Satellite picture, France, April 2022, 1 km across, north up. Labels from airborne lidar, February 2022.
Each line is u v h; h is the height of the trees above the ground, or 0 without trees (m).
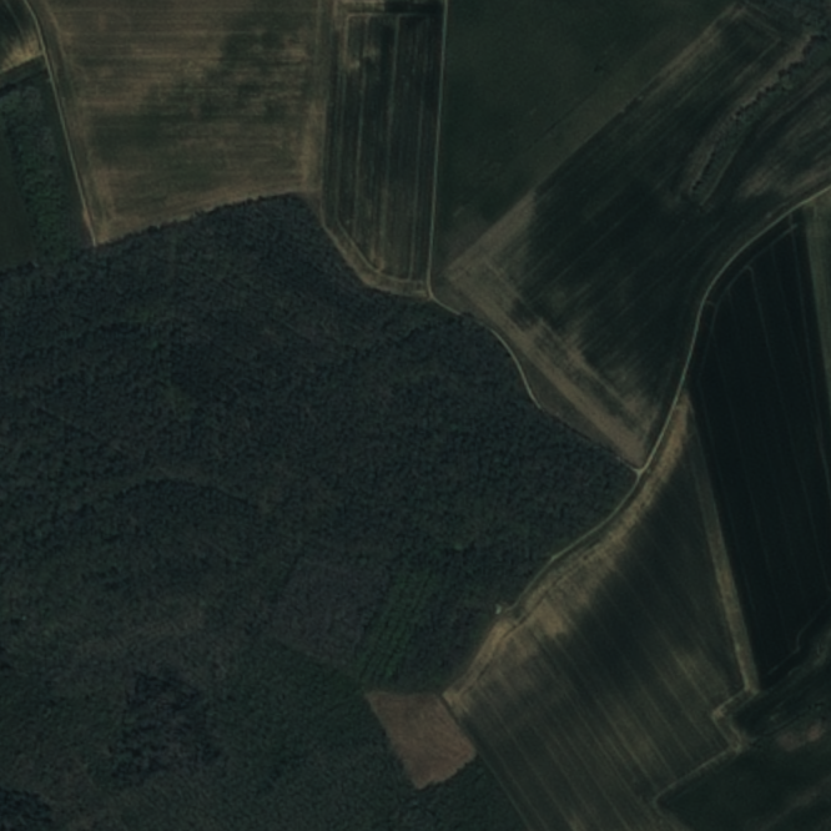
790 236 0
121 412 23
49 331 25
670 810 0
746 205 0
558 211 0
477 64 0
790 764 0
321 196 0
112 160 0
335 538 21
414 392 22
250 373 14
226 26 0
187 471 23
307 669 9
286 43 0
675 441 0
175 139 0
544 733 0
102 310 25
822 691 0
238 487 18
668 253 0
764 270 0
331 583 15
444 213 0
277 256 20
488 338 19
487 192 0
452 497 15
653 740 0
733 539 0
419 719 0
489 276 0
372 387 20
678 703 0
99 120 0
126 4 0
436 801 11
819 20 19
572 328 0
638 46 0
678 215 0
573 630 0
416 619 20
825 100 0
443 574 21
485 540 17
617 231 0
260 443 20
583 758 0
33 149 15
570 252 0
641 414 0
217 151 0
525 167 0
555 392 0
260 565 21
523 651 0
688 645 0
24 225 0
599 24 0
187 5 0
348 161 0
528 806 0
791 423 0
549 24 0
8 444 18
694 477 0
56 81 0
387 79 0
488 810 7
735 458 0
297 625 21
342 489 22
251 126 0
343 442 22
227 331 17
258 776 7
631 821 0
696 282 0
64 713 12
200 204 0
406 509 18
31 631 25
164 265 22
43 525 10
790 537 0
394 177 0
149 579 25
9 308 24
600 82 0
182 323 11
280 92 0
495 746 0
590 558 0
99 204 0
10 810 16
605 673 0
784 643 0
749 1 0
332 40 0
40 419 15
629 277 0
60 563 24
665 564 0
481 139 0
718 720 0
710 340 0
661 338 0
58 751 6
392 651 20
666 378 0
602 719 0
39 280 16
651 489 0
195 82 0
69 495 10
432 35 0
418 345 23
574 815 0
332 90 0
